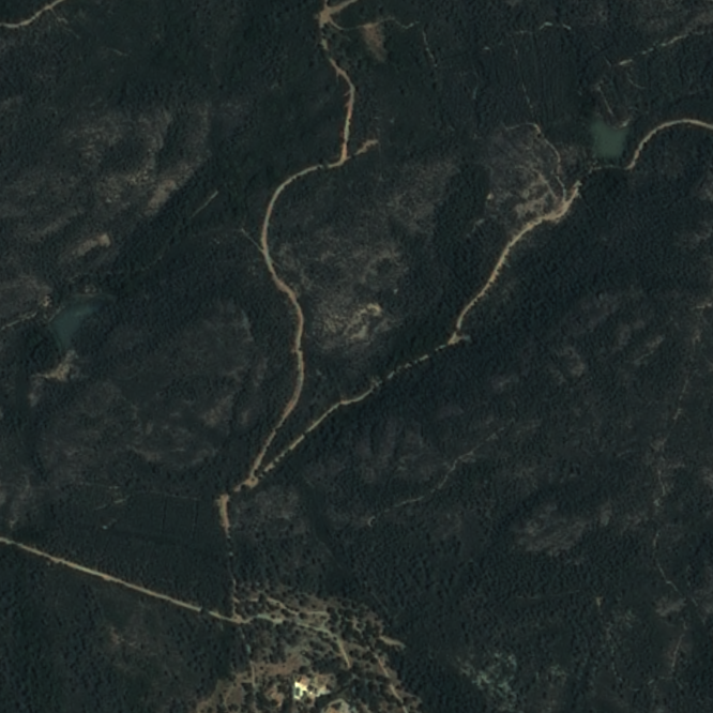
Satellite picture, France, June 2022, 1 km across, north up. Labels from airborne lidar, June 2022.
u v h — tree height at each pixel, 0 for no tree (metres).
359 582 13
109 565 7
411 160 7
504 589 13
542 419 8
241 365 0
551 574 15
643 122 8
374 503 9
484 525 12
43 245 8
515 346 15
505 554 11
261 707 7
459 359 14
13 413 15
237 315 8
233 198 12
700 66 12
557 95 8
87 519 7
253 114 9
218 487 12
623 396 9
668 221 12
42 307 9
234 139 9
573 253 15
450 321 8
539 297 15
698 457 7
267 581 16
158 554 8
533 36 6
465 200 15
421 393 20
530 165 0
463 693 14
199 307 9
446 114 9
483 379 15
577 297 16
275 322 10
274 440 12
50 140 7
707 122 8
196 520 6
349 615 11
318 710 12
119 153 6
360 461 7
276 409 9
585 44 13
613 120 13
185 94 12
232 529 9
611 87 12
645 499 9
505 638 10
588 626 13
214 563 10
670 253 11
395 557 12
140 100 10
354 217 6
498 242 9
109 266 11
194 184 14
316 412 17
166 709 0
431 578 17
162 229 19
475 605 7
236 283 11
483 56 9
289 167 9
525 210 0
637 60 9
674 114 9
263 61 9
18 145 10
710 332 0
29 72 8
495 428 8
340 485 9
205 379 7
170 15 9
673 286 10
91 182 10
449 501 12
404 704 7
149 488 10
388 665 8
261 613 12
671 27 8
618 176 8
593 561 12
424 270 12
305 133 12
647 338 11
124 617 0
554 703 0
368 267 0
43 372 8
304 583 13
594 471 7
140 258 17
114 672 9
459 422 10
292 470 14
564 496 11
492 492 9
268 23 9
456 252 14
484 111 11
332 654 8
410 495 10
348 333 0
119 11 5
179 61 10
